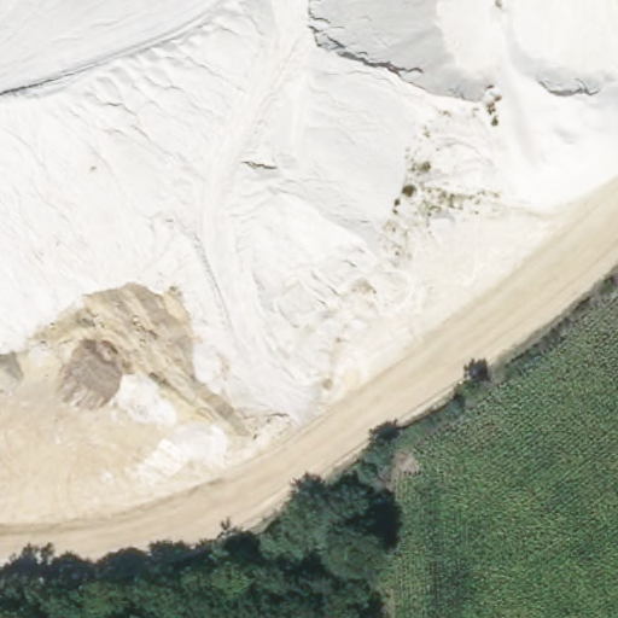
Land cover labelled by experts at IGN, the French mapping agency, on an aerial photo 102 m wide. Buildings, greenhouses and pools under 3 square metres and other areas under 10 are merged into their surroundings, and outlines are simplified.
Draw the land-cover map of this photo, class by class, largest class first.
<instances>
[{"label":"pervious surface","instance_id":"1","mask_svg":"<svg viewBox=\"0 0 618 618\"><path fill-rule=\"evenodd\" d=\"M618 268V0H0V594L7 582L22 575L31 579L41 577L46 582H70L77 584L82 591L89 584L128 587L135 579H142L147 587L164 589L169 579H179L186 572H193L208 553L210 558L225 555L227 548L220 538H229L237 531H251L258 538V543H263L266 538L278 536L282 524L302 521L309 509L321 512L340 492L355 490L360 480L345 466L362 454L369 439L379 447L393 442L403 435L401 422H408L427 413L430 408L444 403L454 393L456 384L464 381V374H468L478 384L488 381L490 362H497L502 355L519 348L531 333L550 326L558 316L565 314V309H570L594 285H599L606 275H611Z\"/></svg>","mask_w":618,"mask_h":618},{"label":"agricultural land","instance_id":"2","mask_svg":"<svg viewBox=\"0 0 618 618\"><path fill-rule=\"evenodd\" d=\"M488 381L478 384L468 374H464V381L456 384L454 393L444 403L430 408L427 413L408 422H401L403 435L393 442L398 451L391 471V483H396V488L391 490L401 509V531L398 543L386 550L389 558L384 567V582L377 591L381 596L384 613H391L393 618H618V268L611 275H606L599 285H594L570 309H565V314L558 316L550 326L531 333L519 348L502 355L497 362H490Z\"/></svg>","mask_w":618,"mask_h":618},{"label":"deciduous trees","instance_id":"3","mask_svg":"<svg viewBox=\"0 0 618 618\"><path fill-rule=\"evenodd\" d=\"M367 509L365 495L355 490L340 492L321 512L309 509L302 521L282 524L278 536L266 538L263 543H258V538L251 531H237L229 538H220L227 548L225 555L210 558L208 553L193 572H186L179 579H169L164 589L147 587L138 606L157 618H357L360 608L377 591L384 582V567L389 558L386 550L379 548L374 536H362L348 526V517L362 514Z\"/></svg>","mask_w":618,"mask_h":618},{"label":"coniferous trees","instance_id":"4","mask_svg":"<svg viewBox=\"0 0 618 618\"><path fill-rule=\"evenodd\" d=\"M147 587L142 579H135L128 587L89 584L82 591L77 584L70 582H46L41 577L31 579L22 575L7 582L0 594V618H157L138 606Z\"/></svg>","mask_w":618,"mask_h":618},{"label":"herbaceous vegetation","instance_id":"5","mask_svg":"<svg viewBox=\"0 0 618 618\"><path fill-rule=\"evenodd\" d=\"M355 490L365 495L367 509L362 514L348 517V526L362 536H374L379 548L386 550L398 543L401 531V509L391 490H377L369 483L360 480ZM357 618H393L391 613H384L381 596L377 591L360 608Z\"/></svg>","mask_w":618,"mask_h":618},{"label":"brushwood","instance_id":"6","mask_svg":"<svg viewBox=\"0 0 618 618\"><path fill-rule=\"evenodd\" d=\"M398 451L393 442L379 447L369 439L362 454L345 466L360 480L369 483L377 490H391L396 488V483H391V471Z\"/></svg>","mask_w":618,"mask_h":618}]
</instances>
